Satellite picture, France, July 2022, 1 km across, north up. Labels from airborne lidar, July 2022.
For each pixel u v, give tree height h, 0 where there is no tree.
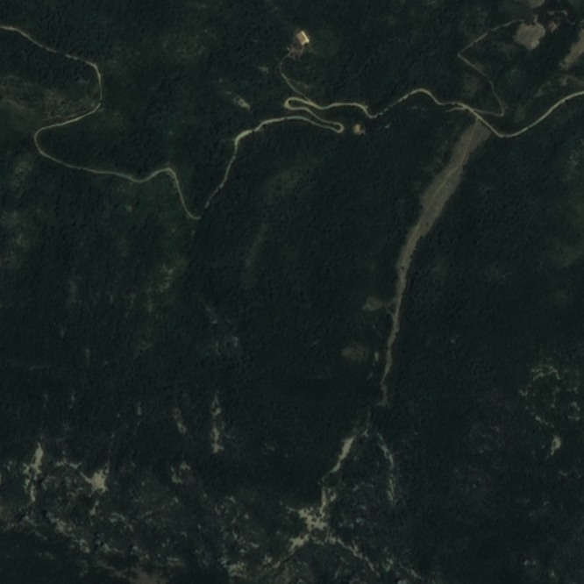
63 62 12
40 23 7
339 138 7
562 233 7
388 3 6
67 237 10
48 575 7
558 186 5
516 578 8
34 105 7
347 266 7
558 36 9
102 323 6
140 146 9
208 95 6
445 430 8
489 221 9
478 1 7
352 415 8
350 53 9
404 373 9
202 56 7
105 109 8
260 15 7
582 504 7
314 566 6
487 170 11
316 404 7
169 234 7
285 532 11
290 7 5
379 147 6
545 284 6
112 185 7
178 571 6
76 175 8
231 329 6
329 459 7
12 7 9
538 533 9
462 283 7
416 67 6
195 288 6
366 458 7
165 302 7
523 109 0
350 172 6
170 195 7
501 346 6
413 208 9
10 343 9
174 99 11
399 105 6
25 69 10
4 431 7
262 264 6
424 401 6
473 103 6
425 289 9
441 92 9
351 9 7
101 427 6
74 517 6
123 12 8
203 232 8
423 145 6
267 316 7
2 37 7
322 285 6
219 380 6
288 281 7
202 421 8
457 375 7
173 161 6
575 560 7
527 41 0
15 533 6
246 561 7
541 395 6
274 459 6
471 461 6
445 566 6
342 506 6
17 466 6
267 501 5
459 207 6
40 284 9
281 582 0
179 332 5
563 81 0
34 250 6
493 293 7
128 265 8
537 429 8
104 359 7
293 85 0
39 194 9
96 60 7
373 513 8
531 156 6
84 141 9
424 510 6
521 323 6
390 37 7
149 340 12
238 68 7
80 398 7
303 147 6
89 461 6
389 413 8
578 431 8
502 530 6
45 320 8
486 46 7
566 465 7
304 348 7
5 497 10
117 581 6
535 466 7
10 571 6
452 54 6
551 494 9
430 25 8
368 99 7
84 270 6
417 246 6
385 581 8
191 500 10
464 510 6
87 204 6
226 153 7
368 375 8
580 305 7
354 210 6
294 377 7
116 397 6
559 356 6
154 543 7
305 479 9
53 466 8
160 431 7
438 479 6
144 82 6
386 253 9
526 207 7
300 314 11
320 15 6
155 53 6
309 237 7
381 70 7
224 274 8
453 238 8
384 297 5
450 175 0
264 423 7
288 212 13
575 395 6
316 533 7
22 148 6
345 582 8
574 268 9
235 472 7
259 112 7
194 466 8
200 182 7
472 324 8
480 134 0
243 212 8
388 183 7
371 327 7
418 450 6
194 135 5
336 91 10
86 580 5
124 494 8
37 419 8
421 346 7
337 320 8
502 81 6
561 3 7
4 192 7
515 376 6
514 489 7
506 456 7
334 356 7
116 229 7
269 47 10
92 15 6
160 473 7
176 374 16
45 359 6
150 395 10
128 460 8
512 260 6
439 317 10
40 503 6
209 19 7
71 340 8
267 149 7
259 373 8
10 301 8
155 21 10
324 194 6
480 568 6
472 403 6
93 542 7
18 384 10
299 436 6
